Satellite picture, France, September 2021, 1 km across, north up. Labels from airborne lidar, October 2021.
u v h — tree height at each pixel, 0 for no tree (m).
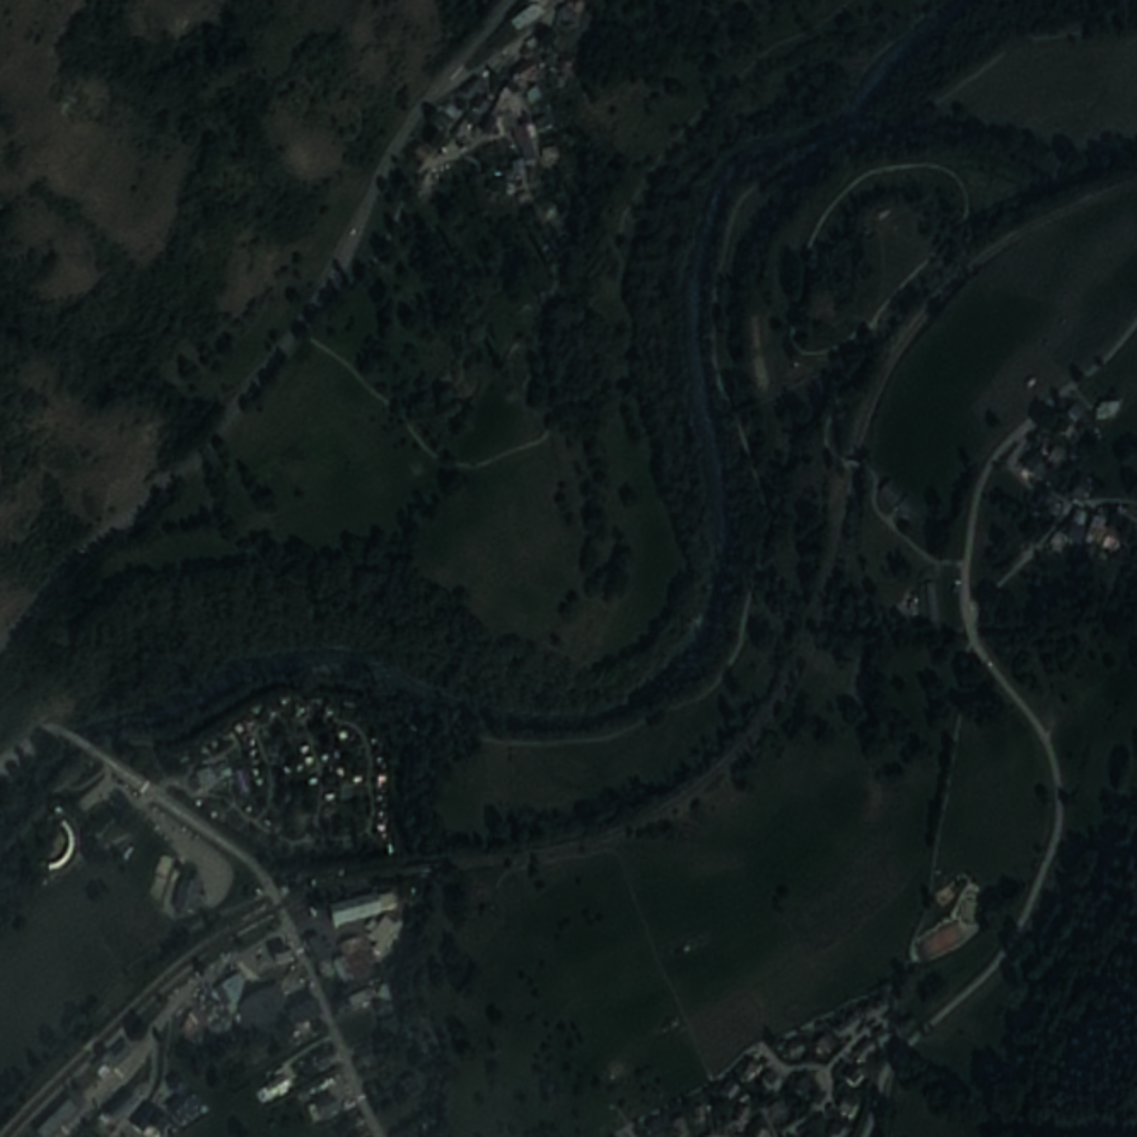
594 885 0
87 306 16
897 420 0
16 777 16
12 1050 0
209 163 18
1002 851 0
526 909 0
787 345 0
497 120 0
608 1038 0
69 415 0
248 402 11
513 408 0
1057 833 0
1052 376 0
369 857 7
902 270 0
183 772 12
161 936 0
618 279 20
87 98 6
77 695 15
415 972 22
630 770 0
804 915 0
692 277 0
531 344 6
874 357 18
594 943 0
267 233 8
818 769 0
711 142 19
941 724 19
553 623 0
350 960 0
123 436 8
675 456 22
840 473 9
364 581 24
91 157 0
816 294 15
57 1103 0
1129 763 13
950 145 14
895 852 0
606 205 20
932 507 12
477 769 0
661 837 15
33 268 15
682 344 7
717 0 16
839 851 0
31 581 11
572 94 0
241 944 10
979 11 17
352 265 0
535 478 0
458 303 19
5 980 0
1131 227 0
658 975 0
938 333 0
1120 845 18
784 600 20
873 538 0
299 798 8
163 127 9
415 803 16
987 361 0
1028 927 0
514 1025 0
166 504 16
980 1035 0
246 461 0
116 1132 0
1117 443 0
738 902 0
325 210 7
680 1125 0
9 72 0
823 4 11
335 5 0
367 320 0
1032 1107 19
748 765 18
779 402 0
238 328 12
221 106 8
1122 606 9
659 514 0
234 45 14
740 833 0
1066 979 23
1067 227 0
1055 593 7
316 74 6
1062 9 14
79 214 8
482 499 0
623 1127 0
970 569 0
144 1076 0
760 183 16
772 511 15
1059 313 0
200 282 10
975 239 7
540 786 0
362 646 24
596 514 13
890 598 0
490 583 0
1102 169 9
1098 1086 30
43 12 0
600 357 22
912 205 18
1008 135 8
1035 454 7
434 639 17
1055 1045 18
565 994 0
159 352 23
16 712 13
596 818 17
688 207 22
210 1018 0
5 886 20
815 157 7
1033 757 0
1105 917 17
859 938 0
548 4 0
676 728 0
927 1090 17
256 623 15
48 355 18
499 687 15
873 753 19
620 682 21
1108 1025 19
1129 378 0
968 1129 19
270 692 9
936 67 19
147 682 22
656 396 19
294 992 0
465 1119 0
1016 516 16
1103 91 0
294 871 13
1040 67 0
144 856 0
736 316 10
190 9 0
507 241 6
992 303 0
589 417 23
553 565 0
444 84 0
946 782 7
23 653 19
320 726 10
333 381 0
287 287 0
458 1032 14
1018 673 11
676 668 8
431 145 15
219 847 0
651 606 0
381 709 19
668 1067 0
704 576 17
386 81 7
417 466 0
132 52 9
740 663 0
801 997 0
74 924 0
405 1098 15
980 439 0
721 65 17
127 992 0
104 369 21
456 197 7
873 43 8
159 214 0
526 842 13
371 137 6
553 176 7
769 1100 5
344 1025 0
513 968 0
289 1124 7
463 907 18
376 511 0
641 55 13
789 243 0
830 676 0
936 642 19
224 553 0
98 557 19
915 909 0
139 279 7
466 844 11
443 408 15
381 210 0
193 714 22
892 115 11
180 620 31
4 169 0
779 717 12
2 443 8
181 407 22
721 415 14
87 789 0
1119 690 0
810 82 25
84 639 24
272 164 12
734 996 0
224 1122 0
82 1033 16
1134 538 10
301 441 0
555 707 26
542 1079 8
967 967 0
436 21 6
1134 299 0
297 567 25
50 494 8
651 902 0
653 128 0
